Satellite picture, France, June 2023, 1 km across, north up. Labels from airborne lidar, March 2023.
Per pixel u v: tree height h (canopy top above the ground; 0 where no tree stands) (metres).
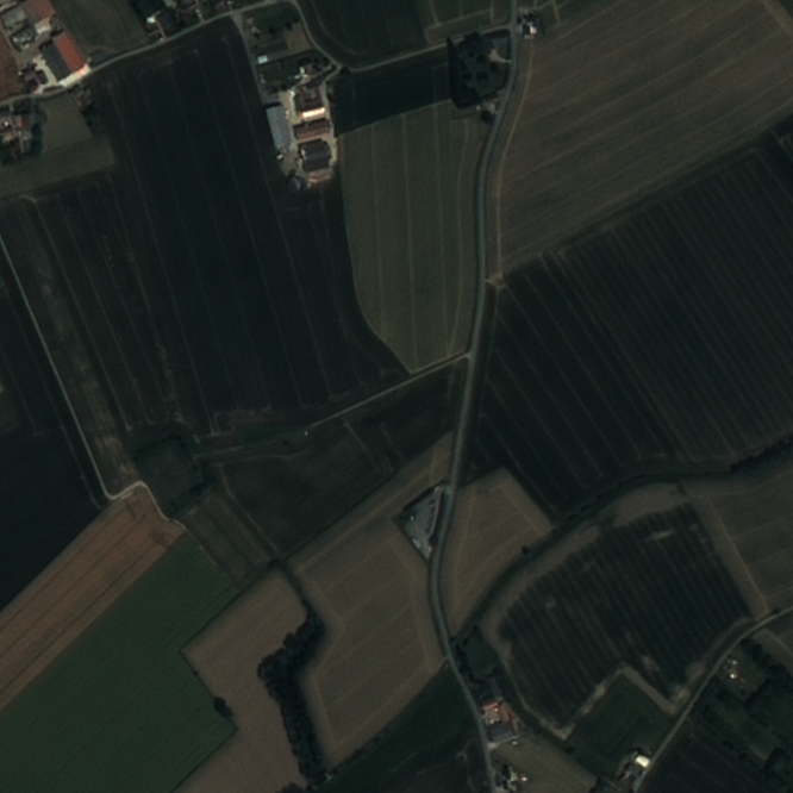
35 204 0
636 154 0
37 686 0
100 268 0
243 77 0
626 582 0
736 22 0
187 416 0
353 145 0
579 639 0
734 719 0
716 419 0
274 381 0
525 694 0
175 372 0
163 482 0
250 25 0
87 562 0
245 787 0
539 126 0
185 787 0
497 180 0
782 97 0
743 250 0
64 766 0
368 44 0
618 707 0
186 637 0
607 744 0
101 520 0
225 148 0
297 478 0
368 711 0
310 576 0
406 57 0
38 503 0
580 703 0
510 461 0
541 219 0
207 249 0
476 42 14
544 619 0
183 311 0
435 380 0
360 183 0
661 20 0
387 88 0
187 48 0
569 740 0
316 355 0
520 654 0
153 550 0
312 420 0
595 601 0
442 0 0
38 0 0
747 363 0
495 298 0
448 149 0
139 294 0
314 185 0
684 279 0
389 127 0
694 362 0
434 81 0
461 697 0
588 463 0
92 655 0
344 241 0
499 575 0
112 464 0
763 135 0
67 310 0
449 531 0
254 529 0
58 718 0
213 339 0
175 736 0
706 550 0
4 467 0
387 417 0
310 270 0
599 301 0
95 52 0
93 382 0
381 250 0
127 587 0
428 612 0
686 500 0
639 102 0
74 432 0
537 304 0
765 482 0
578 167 0
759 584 0
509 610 0
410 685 0
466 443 0
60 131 0
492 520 0
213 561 0
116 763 0
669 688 0
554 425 0
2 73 0
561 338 0
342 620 0
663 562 0
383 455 0
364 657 0
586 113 0
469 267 0
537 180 0
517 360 0
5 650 0
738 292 0
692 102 0
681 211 0
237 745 0
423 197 0
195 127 0
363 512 0
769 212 0
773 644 0
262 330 0
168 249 0
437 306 0
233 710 0
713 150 0
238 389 0
